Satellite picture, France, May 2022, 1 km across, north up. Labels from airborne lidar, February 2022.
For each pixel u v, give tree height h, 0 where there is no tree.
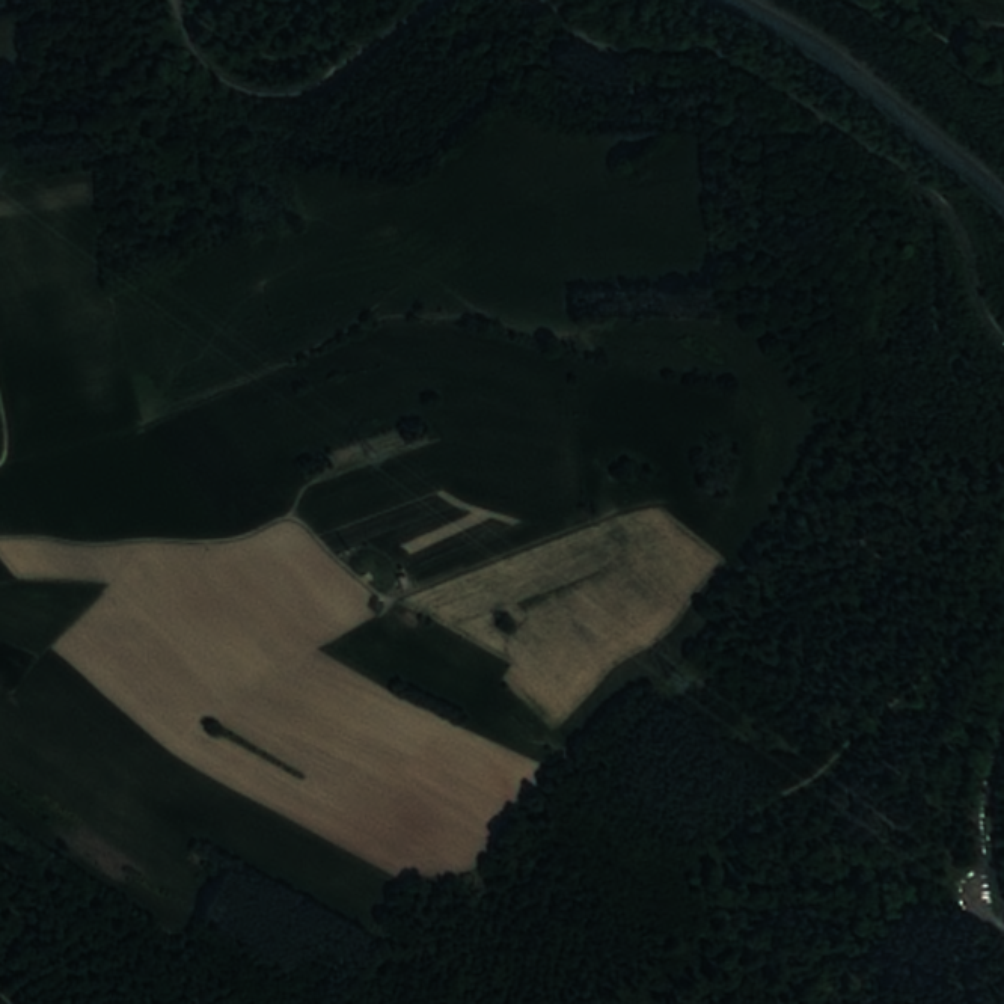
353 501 0
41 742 0
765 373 0
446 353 0
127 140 14
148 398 0
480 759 0
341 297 0
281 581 0
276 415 0
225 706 0
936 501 34
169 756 0
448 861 0
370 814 0
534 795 30
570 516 0
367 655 0
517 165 0
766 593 9
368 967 19
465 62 19
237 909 26
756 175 23
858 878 40
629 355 0
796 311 22
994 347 16
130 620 0
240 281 0
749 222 15
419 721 0
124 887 0
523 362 0
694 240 0
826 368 23
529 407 0
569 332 0
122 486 0
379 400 0
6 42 0
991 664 34
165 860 0
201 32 35
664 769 27
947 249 18
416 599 0
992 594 31
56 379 0
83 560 0
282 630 0
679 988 33
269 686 0
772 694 26
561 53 29
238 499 0
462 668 0
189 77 36
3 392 0
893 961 40
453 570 0
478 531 0
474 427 0
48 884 30
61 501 0
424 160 15
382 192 0
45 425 0
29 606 0
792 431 0
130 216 18
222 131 15
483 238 0
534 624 0
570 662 0
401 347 0
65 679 0
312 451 0
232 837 0
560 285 0
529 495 0
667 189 0
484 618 0
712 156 20
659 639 0
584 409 0
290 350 0
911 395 25
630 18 23
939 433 21
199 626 0
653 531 0
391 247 0
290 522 0
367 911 0
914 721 17
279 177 19
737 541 0
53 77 24
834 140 23
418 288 0
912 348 19
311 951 22
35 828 0
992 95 19
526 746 0
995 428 23
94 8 19
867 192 25
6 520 0
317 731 0
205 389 0
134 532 0
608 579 0
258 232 20
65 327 0
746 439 0
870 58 23
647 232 0
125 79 23
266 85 22
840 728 31
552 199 0
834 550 34
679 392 0
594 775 27
